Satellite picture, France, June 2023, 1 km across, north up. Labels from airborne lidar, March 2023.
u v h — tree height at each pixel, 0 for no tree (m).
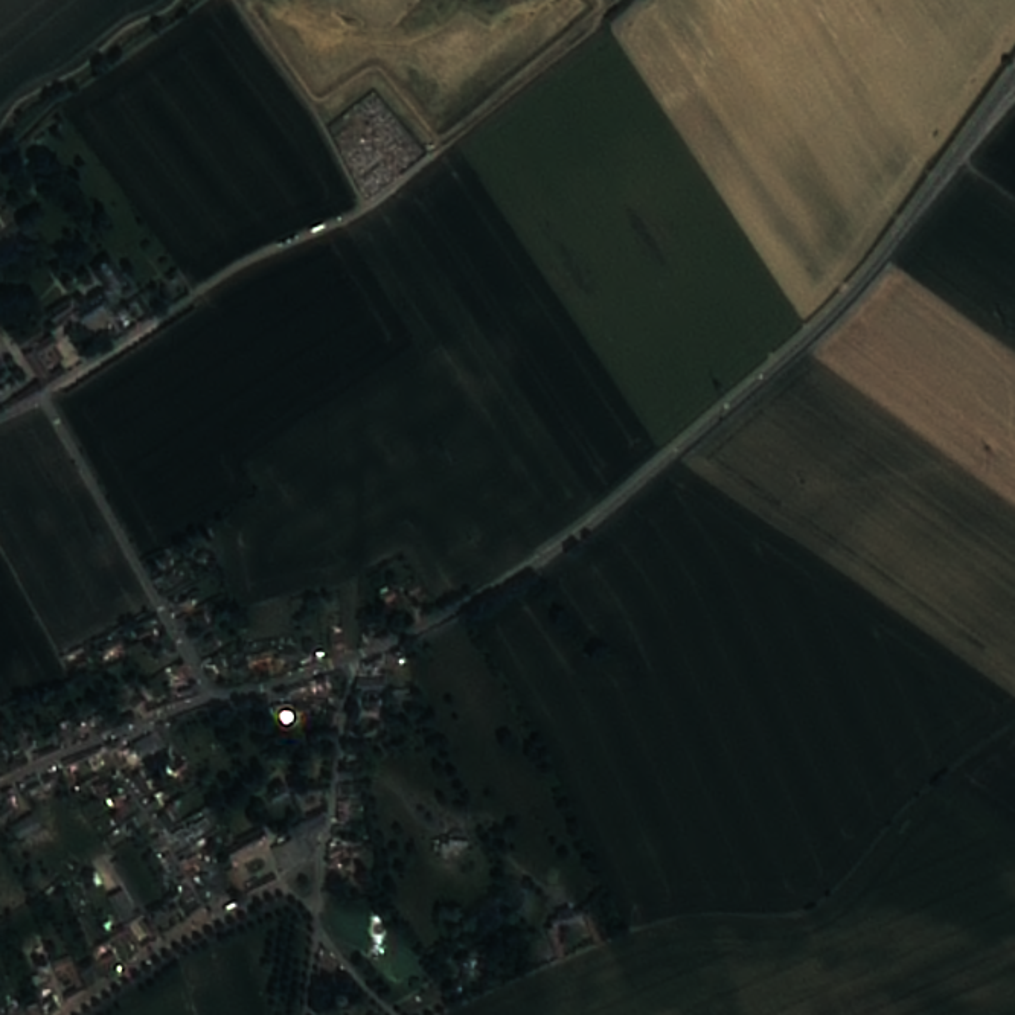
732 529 0
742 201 0
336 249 0
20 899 0
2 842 6
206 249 0
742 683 0
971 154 0
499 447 0
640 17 0
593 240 0
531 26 0
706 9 0
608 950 0
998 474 0
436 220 0
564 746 0
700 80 0
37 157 22
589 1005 0
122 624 11
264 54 0
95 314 0
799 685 0
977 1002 0
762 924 0
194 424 0
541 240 0
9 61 0
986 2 0
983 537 0
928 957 0
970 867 0
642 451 0
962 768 0
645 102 0
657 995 0
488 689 0
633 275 0
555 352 0
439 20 0
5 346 0
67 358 0
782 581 0
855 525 0
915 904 0
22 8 0
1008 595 0
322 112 0
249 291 0
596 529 0
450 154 0
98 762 0
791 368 0
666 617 0
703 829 0
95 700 21
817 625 0
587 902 6
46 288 0
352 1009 0
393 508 0
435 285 0
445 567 0
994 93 0
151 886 0
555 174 0
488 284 0
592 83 0
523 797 0
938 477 0
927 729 0
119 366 0
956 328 0
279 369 0
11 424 0
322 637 0
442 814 0
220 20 0
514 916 11
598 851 0
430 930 0
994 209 0
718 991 0
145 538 0
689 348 0
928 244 0
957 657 0
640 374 0
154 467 0
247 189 0
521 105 0
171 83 0
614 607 0
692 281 0
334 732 12
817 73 0
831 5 0
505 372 0
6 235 0
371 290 0
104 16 0
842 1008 0
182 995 0
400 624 13
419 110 0
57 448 0
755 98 0
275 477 0
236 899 13
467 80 0
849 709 0
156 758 10
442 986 12
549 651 0
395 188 0
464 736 0
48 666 0
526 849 0
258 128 0
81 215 21
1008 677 0
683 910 0
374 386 0
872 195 0
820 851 0
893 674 0
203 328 0
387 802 0
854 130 0
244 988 0
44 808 0
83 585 0
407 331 0
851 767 0
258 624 0
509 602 0
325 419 0
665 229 0
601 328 0
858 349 0
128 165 0
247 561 0
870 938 0
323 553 0
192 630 10
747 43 0
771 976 0
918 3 0
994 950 0
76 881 0
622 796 0
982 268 0
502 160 0
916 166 0
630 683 0
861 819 0
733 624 0
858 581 0
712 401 0
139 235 0
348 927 0
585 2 0
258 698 15
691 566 0
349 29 0
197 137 0
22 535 0
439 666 0
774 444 0
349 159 0
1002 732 0
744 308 0
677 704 0
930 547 0
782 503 0
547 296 0
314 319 0
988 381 0
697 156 0
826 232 0
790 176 0
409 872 0
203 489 0
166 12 0
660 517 0
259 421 0
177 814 0
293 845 0
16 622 0
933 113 0
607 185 0
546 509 0
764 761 0
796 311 0
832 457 0
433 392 0
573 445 0
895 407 0
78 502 0
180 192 0
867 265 0
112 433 0
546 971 0
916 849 0
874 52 0
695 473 0
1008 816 0
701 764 0
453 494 0
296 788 17
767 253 0
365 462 0
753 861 0
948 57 0
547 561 0
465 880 0
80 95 0
